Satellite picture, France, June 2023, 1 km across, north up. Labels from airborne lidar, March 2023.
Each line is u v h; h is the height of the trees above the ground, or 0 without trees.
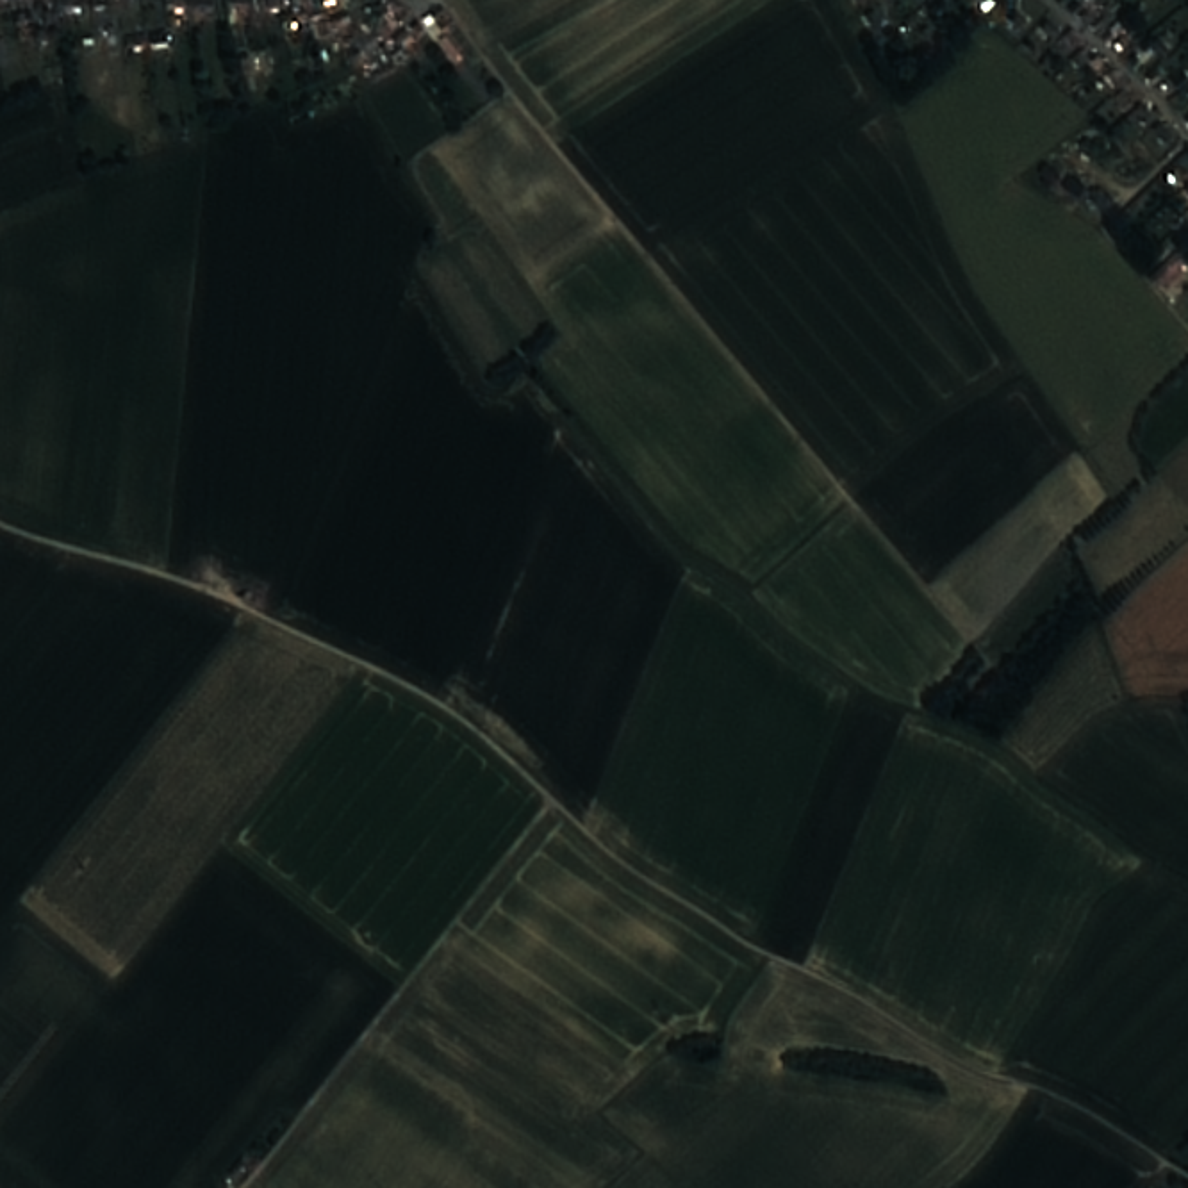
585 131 0
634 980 0
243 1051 0
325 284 0
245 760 0
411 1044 0
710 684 0
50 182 0
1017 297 0
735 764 0
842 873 0
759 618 0
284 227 0
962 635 0
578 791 0
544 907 0
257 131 0
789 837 0
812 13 0
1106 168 0
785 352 0
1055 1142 0
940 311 0
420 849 0
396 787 0
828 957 0
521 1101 0
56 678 0
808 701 0
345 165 0
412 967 0
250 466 0
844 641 0
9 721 0
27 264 0
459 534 0
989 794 0
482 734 0
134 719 0
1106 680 0
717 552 0
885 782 0
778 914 0
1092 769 0
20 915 0
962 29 24
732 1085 0
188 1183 0
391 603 0
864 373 0
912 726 0
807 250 0
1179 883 0
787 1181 0
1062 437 0
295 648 0
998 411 0
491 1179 0
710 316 0
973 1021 0
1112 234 21
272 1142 8
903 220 0
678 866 0
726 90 0
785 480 0
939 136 0
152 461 0
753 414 0
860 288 0
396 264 0
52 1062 0
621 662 0
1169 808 0
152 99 0
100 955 0
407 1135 0
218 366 0
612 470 0
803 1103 0
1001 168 0
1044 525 0
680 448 0
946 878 0
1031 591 0
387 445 0
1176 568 0
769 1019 0
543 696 0
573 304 0
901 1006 0
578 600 0
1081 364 0
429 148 0
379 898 0
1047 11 0
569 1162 0
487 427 0
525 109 0
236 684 0
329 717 0
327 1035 0
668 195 0
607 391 0
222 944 0
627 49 0
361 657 0
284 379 0
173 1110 0
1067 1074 0
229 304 0
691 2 0
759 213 0
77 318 0
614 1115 0
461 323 0
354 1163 0
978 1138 0
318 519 0
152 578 0
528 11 0
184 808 0
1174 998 0
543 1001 0
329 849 0
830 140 0
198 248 0
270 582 0
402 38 0
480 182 0
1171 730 0
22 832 0
